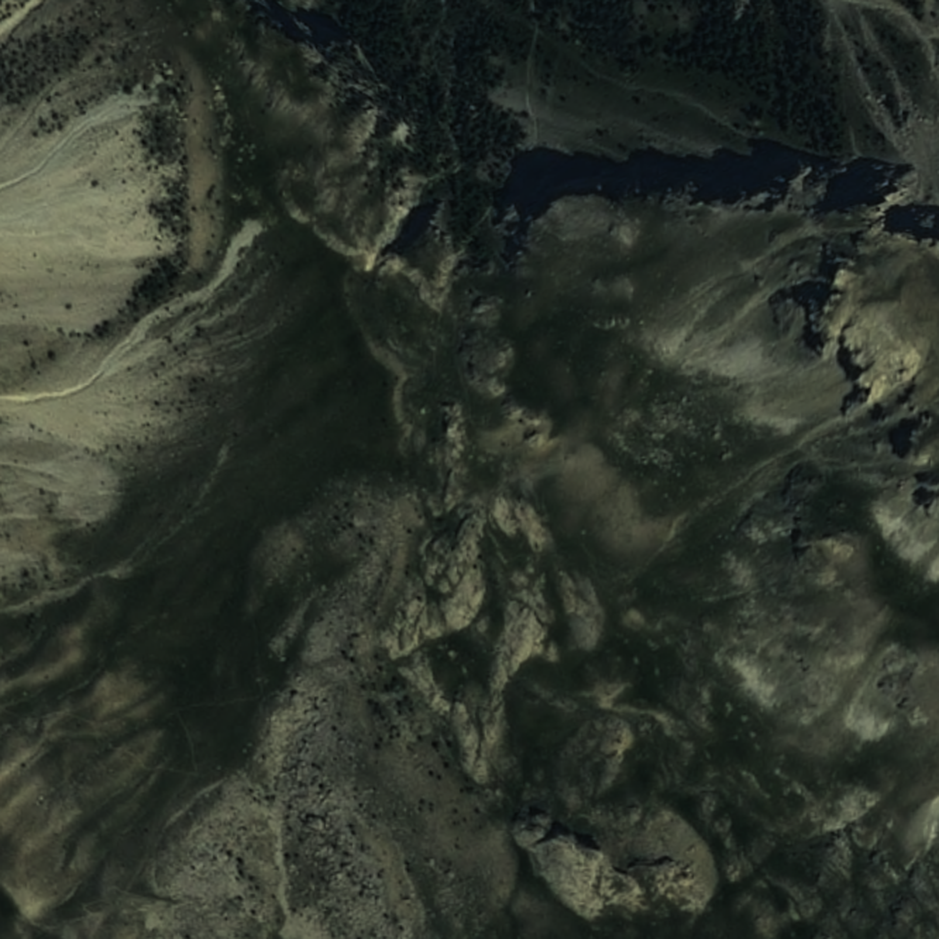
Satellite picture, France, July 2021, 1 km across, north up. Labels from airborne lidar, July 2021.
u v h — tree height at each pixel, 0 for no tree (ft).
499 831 0
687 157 0
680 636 0
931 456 0
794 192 0
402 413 0
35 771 0
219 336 0
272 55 0
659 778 0
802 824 0
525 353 0
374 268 0
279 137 0
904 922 0
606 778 0
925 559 0
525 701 0
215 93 0
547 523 0
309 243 0
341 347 0
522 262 0
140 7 0
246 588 0
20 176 0
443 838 0
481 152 30
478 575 0
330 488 0
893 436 0
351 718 0
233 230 0
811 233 0
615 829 0
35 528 0
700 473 0
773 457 0
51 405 0
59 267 0
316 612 0
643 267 0
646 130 0
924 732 0
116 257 0
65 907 0
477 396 0
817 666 0
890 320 0
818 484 0
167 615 0
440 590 0
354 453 0
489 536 0
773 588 0
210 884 0
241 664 0
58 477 0
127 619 0
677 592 0
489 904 0
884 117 0
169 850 0
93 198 0
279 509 0
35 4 0
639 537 0
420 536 0
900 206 0
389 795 0
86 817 0
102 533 0
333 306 0
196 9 0
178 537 0
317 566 0
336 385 0
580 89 0
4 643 0
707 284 0
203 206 0
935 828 0
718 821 0
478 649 0
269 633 0
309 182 0
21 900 0
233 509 0
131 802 0
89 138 0
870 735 0
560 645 0
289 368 0
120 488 0
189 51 0
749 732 0
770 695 0
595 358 0
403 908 0
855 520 0
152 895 0
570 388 0
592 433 0
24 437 0
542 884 0
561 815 0
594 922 0
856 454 0
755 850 0
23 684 0
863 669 0
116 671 0
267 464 0
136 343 0
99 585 0
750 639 0
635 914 0
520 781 0
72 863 0
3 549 0
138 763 0
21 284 0
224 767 0
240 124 0
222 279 0
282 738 0
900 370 0
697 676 0
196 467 0
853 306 0
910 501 0
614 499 0
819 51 19
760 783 0
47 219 0
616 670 0
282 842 0
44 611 0
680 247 0
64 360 0
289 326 0
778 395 0
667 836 0
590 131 0
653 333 0
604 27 30
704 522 0
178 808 0
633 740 0
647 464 0
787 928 0
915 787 0
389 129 33
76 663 0
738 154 0
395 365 0
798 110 24
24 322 0
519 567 0
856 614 0
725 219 0
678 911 0
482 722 0
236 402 0
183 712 0
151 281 36
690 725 0
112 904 0
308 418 0
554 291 0
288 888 0
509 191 0
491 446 0
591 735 0
